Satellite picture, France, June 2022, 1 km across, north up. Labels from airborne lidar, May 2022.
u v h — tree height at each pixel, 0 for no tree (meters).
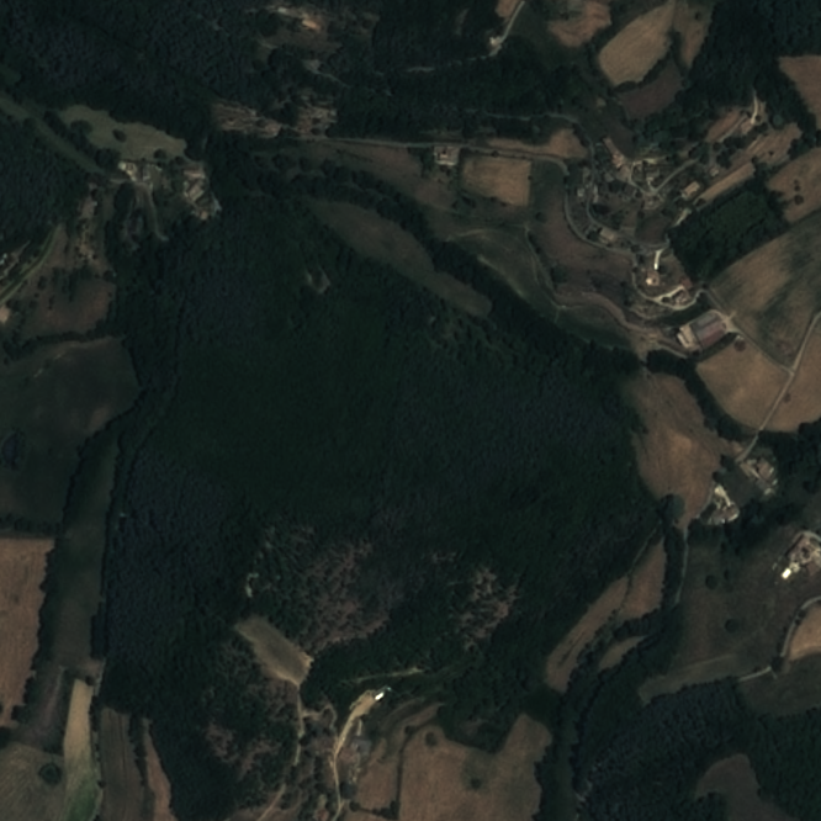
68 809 0
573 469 22
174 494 20
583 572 18
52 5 6
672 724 23
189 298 16
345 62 18
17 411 0
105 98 27
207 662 8
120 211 15
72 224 8
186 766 15
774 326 0
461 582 17
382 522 17
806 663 0
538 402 22
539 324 21
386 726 0
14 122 19
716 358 0
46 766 0
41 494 0
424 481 16
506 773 0
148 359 27
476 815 0
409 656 18
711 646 0
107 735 0
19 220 18
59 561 21
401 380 11
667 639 28
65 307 0
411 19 11
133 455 15
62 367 0
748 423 0
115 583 15
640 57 0
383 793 0
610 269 0
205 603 20
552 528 20
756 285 0
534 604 20
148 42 11
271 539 13
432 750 0
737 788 0
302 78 12
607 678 18
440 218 0
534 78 12
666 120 11
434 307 25
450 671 21
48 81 29
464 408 22
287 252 13
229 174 15
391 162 0
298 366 17
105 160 23
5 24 8
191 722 14
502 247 0
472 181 0
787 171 0
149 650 26
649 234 0
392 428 22
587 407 27
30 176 20
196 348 20
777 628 0
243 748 12
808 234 0
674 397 0
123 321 16
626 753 23
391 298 19
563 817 0
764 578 0
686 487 0
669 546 21
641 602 0
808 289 0
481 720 15
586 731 33
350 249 9
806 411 0
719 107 15
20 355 16
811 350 0
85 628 0
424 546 14
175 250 19
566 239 0
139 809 0
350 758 0
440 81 16
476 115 14
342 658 17
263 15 10
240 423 18
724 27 21
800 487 0
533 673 22
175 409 18
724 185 0
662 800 16
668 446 0
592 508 17
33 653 0
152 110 16
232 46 17
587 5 0
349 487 12
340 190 20
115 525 13
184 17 22
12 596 0
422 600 15
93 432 0
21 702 0
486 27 12
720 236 11
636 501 13
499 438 19
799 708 0
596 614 0
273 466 17
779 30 29
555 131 0
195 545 24
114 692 10
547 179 0
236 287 19
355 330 15
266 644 0
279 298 17
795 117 17
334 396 17
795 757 14
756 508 16
